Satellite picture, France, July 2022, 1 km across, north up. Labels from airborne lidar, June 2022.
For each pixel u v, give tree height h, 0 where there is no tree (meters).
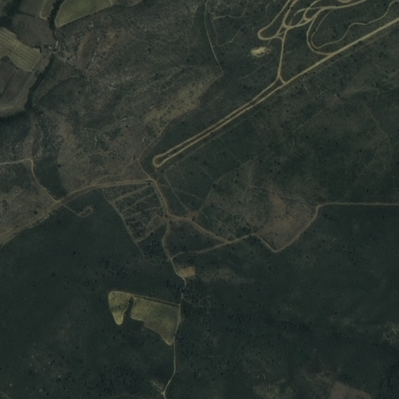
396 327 0
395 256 0
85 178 0
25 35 0
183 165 0
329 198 0
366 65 0
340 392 0
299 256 6
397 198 0
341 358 0
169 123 0
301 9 0
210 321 6
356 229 0
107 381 13
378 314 0
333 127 0
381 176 0
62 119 0
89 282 8
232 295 0
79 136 0
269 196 0
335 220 7
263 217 0
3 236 0
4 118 9
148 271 0
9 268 0
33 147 0
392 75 0
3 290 0
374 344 6
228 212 0
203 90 0
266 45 0
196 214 0
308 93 0
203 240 0
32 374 9
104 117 0
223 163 0
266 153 0
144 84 0
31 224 0
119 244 0
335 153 0
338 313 8
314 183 0
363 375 0
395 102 0
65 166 0
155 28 0
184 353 8
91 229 0
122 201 0
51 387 0
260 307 10
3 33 0
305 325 8
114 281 0
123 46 0
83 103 0
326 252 0
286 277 0
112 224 0
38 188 0
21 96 0
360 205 0
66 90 0
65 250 0
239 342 0
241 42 0
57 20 0
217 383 0
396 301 0
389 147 0
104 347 0
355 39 0
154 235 10
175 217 0
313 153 0
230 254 7
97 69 0
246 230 13
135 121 0
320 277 0
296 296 0
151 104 0
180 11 0
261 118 0
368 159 0
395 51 0
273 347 8
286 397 0
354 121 0
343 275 0
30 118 0
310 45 0
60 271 0
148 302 0
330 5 0
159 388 0
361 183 0
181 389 0
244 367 0
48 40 0
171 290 7
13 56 0
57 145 0
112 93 0
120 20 0
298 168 0
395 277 0
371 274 0
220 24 0
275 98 0
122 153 0
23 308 0
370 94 0
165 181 0
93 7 0
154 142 0
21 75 0
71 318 0
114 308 0
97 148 0
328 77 0
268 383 0
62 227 0
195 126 0
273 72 0
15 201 0
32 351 0
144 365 0
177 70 0
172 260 0
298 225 0
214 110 0
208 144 0
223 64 9
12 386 0
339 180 0
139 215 0
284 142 0
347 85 0
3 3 0
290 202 0
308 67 0
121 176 0
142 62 0
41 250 0
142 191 0
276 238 0
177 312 0
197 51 0
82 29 0
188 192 0
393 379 11
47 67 8
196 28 0
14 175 0
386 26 0
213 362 6
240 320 8
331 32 0
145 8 0
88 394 8
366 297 0
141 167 0
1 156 0
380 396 7
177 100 0
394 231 0
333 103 0
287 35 0
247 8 0
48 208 0
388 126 0
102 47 0
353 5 0
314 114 0
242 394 0
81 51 0
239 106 0
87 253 0
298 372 0
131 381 8
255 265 0
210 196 0
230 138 0
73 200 0
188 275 0
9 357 0
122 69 0
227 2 0
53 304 0
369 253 0
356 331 0
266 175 0
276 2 0
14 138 0
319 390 0
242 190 0
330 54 0
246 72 0
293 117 0
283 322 9
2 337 0
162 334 0
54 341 0
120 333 7
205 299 8
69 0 0
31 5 0
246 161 0
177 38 0
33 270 0
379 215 0
